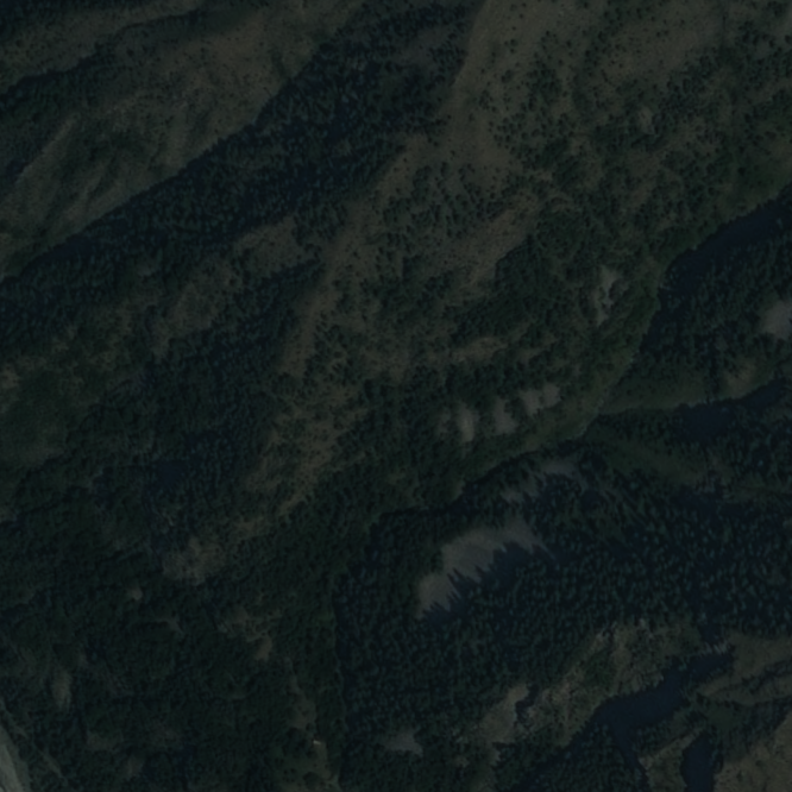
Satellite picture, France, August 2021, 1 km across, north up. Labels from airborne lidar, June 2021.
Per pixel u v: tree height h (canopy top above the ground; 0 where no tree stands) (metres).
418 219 19
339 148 11
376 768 17
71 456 8
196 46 0
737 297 30
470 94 0
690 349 32
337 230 12
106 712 11
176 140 0
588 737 13
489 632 13
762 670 0
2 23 13
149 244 7
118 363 6
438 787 11
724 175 8
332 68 19
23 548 12
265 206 16
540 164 12
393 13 6
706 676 7
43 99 14
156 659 10
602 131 21
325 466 6
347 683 11
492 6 0
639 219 7
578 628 26
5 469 15
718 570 21
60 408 7
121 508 14
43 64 6
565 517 11
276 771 10
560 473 0
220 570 7
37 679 6
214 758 15
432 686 13
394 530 12
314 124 12
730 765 0
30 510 17
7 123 16
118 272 13
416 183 13
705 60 13
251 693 15
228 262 13
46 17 6
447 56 14
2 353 11
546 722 7
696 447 21
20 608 12
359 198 13
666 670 7
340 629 9
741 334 21
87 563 23
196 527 22
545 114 12
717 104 7
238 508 14
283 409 22
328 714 13
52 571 12
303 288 22
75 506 19
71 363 7
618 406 0
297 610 9
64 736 11
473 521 32
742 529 8
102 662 20
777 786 0
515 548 0
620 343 7
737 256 12
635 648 7
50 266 10
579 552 30
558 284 23
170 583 10
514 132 6
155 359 10
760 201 0
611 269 10
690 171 14
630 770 12
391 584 14
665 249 18
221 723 7
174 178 8
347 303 20
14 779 0
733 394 0
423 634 17
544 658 30
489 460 8
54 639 8
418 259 19
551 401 0
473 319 17
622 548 12
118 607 20
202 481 22
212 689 25
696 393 0
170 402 8
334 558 18
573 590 33
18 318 16
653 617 25
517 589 33
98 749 12
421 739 11
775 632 12
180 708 20
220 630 14
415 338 7
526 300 11
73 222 7
